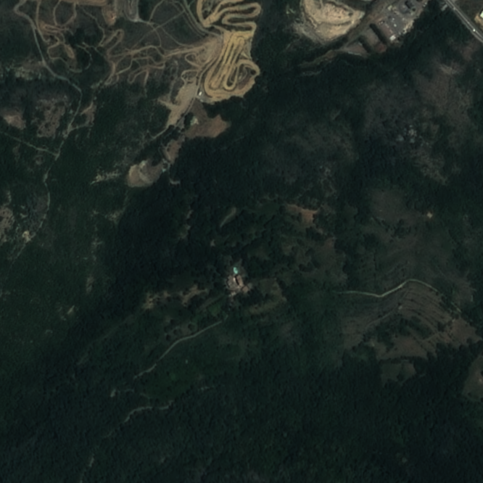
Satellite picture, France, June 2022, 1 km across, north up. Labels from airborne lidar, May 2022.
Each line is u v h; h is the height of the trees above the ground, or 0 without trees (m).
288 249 0
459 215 7
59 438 22
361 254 7
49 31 0
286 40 9
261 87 9
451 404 8
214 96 0
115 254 15
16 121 0
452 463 20
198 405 15
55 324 8
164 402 6
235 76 0
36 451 11
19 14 0
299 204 7
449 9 7
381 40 8
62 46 0
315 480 14
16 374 13
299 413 9
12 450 9
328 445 10
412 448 17
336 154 7
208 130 0
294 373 13
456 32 10
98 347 8
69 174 8
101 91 6
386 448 19
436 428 20
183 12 0
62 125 9
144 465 9
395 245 0
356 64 8
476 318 7
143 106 6
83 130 8
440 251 0
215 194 13
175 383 8
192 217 13
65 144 9
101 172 7
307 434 11
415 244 0
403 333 9
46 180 6
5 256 11
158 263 18
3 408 7
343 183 8
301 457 18
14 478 10
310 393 18
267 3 0
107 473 9
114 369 12
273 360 17
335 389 9
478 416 6
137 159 6
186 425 10
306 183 7
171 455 6
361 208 11
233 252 10
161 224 12
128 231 16
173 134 9
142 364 6
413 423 15
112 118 7
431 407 15
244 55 0
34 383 19
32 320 7
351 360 10
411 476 28
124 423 11
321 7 0
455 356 12
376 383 15
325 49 6
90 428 12
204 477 13
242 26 0
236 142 6
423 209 8
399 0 0
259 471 9
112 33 0
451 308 7
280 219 10
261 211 0
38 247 6
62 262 8
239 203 15
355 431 11
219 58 0
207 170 11
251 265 11
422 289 0
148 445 12
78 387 10
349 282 8
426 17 7
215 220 13
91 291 7
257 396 14
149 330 10
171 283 9
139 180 0
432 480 17
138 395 13
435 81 0
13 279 11
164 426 15
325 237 11
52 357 22
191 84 0
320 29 0
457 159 7
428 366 14
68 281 9
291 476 9
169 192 17
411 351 0
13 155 11
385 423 14
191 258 10
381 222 12
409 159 7
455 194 12
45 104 0
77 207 6
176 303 0
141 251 14
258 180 8
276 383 13
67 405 15
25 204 8
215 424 22
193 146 10
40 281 11
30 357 10
